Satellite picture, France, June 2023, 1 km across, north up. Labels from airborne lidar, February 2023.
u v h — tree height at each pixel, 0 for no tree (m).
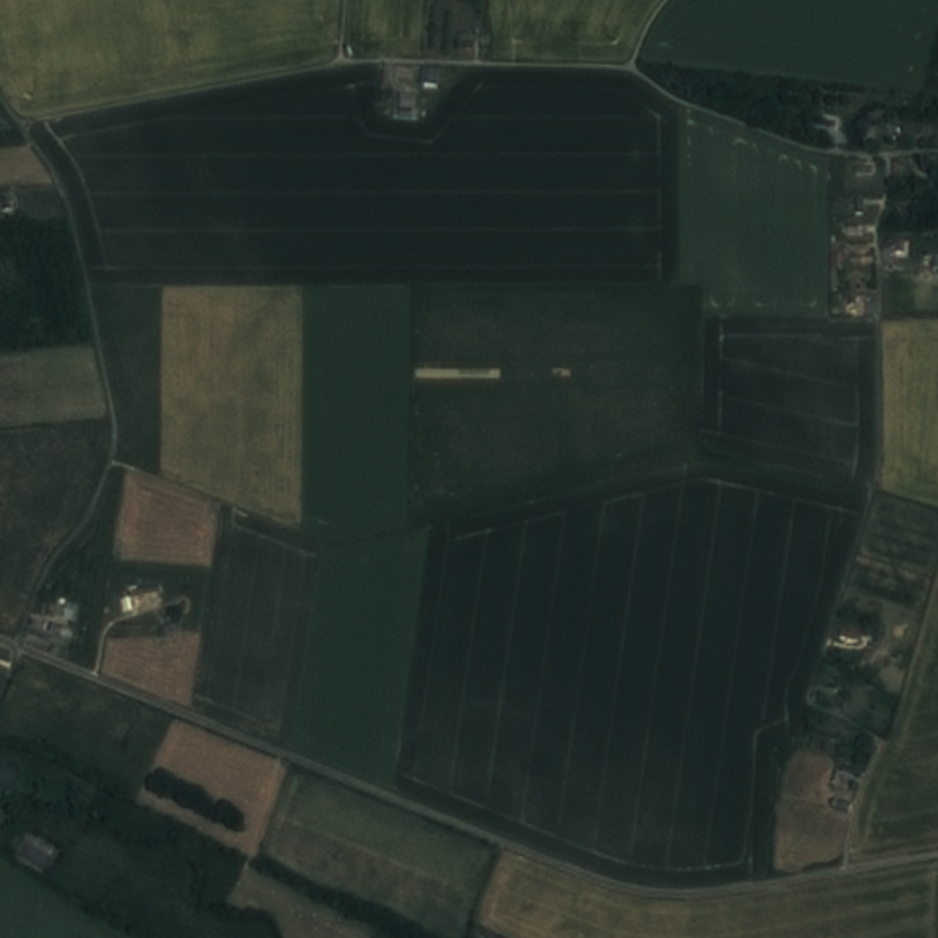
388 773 0
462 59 0
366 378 0
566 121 0
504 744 0
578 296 0
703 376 0
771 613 0
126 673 0
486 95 0
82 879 0
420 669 0
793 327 0
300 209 0
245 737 0
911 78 0
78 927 0
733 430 0
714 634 0
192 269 0
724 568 0
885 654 0
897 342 0
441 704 0
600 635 0
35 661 0
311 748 0
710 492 0
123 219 0
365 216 0
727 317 0
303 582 0
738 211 0
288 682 0
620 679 0
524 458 0
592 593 0
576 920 0
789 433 0
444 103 0
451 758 0
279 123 0
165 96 0
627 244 0
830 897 0
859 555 0
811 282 0
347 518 0
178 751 0
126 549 0
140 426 0
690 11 0
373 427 0
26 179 0
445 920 0
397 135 0
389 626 0
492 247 0
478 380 0
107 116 0
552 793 0
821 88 7
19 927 0
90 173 0
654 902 0
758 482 0
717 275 0
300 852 0
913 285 0
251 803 0
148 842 10
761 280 0
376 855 0
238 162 0
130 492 0
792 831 0
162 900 0
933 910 0
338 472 0
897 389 0
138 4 0
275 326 0
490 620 0
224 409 0
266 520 0
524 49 0
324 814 0
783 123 15
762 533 0
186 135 0
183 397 0
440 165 0
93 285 0
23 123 0
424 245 0
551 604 0
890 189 13
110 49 0
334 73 0
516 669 0
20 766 5
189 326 0
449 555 0
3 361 0
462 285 0
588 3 0
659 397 0
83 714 0
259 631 0
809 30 0
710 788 0
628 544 0
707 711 0
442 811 0
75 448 0
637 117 0
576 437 0
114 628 0
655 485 0
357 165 0
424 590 0
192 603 0
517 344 0
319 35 0
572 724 0
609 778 0
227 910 11
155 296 0
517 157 0
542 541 0
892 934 0
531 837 0
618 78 0
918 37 0
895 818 0
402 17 0
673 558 0
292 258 0
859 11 0
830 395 0
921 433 0
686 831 0
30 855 0
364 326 0
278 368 0
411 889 0
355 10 0
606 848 0
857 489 0
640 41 0
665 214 0
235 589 0
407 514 0
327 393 0
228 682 0
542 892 0
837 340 0
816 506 0
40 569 0
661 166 0
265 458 0
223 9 0
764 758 0
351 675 0
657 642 0
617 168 0
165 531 0
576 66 0
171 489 0
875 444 0
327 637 0
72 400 0
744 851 0
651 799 0
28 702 0
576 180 0
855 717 0
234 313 0
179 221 0
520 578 0
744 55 0
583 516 0
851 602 0
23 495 0
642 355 0
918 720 0
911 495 0
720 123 0
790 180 0
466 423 0
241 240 0
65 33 0
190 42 0
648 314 0
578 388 0
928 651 0
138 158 0
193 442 0
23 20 0
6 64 0
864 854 0
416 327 0
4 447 0
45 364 0
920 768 0
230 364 0
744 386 0
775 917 0
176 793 18
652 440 0
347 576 0
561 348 0
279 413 0
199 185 0
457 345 0
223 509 0
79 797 29
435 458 0
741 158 0
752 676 0
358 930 0
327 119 0
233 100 0
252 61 0
